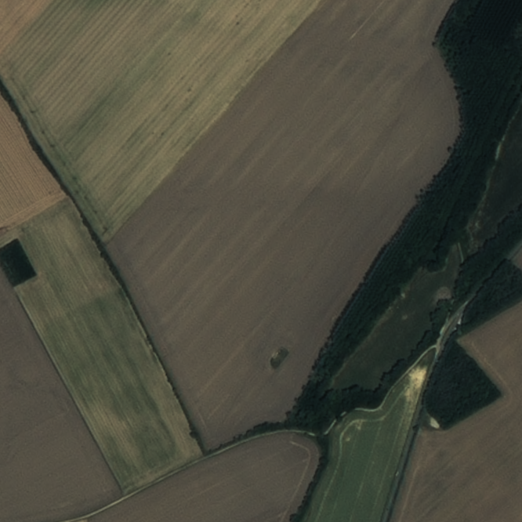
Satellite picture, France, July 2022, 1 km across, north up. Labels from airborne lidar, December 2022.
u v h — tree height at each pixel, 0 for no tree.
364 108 0
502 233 15
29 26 0
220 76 0
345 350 24
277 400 0
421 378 0
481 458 0
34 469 0
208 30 0
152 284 0
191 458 0
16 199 0
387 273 27
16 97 0
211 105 0
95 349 0
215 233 0
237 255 0
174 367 0
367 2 0
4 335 0
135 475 0
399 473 0
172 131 0
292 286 0
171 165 0
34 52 0
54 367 0
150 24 0
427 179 0
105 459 0
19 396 0
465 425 0
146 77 0
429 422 0
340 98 0
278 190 0
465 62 27
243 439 7
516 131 0
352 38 0
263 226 0
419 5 0
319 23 0
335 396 21
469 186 25
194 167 0
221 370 0
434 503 0
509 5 27
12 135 0
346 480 0
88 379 0
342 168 0
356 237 0
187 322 0
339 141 0
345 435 0
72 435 0
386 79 0
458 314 0
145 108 0
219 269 0
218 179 0
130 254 0
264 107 0
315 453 0
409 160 0
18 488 0
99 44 0
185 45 0
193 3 0
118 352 0
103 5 0
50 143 0
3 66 0
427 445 0
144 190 0
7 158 0
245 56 0
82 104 0
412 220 24
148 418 0
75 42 0
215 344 0
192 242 0
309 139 0
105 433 0
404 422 0
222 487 0
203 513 0
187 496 0
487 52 34
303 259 0
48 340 0
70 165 0
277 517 0
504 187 0
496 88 33
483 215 0
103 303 0
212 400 0
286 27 0
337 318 0
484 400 14
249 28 0
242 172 0
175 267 0
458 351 16
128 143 0
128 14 0
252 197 0
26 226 0
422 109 0
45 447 0
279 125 0
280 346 0
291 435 0
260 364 0
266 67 0
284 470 0
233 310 0
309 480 0
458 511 0
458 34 27
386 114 0
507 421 0
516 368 0
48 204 0
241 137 0
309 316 0
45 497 0
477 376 17
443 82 0
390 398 0
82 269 0
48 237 0
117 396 0
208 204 0
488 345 0
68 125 0
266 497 0
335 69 0
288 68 0
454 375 19
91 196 0
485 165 19
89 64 0
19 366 0
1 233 0
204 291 0
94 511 0
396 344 0
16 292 0
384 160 0
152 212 0
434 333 11
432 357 0
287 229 0
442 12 0
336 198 0
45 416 0
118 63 0
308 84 0
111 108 0
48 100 0
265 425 9
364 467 0
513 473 0
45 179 0
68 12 0
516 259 0
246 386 0
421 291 0
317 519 0
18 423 0
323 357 15
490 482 0
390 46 0
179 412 0
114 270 13
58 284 0
